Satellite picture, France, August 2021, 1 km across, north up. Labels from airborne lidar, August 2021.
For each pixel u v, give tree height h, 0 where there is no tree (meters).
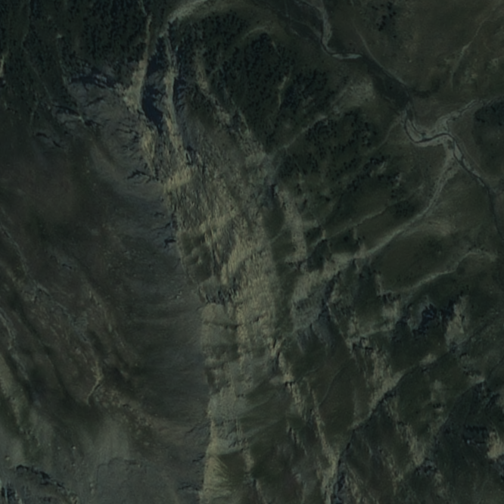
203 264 0
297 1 0
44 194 0
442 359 0
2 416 0
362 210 0
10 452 0
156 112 0
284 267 0
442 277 0
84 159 0
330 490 0
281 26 0
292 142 0
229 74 11
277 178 0
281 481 0
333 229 0
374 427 0
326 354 0
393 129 0
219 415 0
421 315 0
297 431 0
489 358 0
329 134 12
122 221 0
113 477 0
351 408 0
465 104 0
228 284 0
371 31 0
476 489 0
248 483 0
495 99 0
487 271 0
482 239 0
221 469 0
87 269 0
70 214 0
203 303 0
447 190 0
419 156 0
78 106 11
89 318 0
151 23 8
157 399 0
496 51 0
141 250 0
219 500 0
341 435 0
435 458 0
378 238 0
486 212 0
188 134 0
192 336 0
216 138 0
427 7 0
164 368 0
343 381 0
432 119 0
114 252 0
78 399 0
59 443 0
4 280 0
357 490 0
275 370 0
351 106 0
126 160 0
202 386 0
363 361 0
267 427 0
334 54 0
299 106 10
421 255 0
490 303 0
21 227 0
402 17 0
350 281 0
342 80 0
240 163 0
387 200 0
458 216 0
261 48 14
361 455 0
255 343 0
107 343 0
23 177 0
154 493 0
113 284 0
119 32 10
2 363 0
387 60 0
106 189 0
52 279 0
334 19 0
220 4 0
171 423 0
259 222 0
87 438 0
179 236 0
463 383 0
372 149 9
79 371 0
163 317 0
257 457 0
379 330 0
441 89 0
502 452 0
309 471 0
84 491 0
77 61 8
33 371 0
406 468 0
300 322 0
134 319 0
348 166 7
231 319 0
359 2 0
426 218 0
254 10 0
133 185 0
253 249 0
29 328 0
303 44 0
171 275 0
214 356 0
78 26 0
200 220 0
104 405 0
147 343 0
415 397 0
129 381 0
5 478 0
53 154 0
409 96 0
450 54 0
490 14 0
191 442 0
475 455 0
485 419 0
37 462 0
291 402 0
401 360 0
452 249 0
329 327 0
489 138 0
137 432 0
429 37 0
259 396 0
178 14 0
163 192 0
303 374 0
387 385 0
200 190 0
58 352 0
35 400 0
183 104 0
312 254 0
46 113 0
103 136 0
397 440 0
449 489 0
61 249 0
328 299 0
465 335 0
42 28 0
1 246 0
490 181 0
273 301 0
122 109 0
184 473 0
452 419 0
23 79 9
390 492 0
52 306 0
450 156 0
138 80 0
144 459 0
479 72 0
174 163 0
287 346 0
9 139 0
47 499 0
